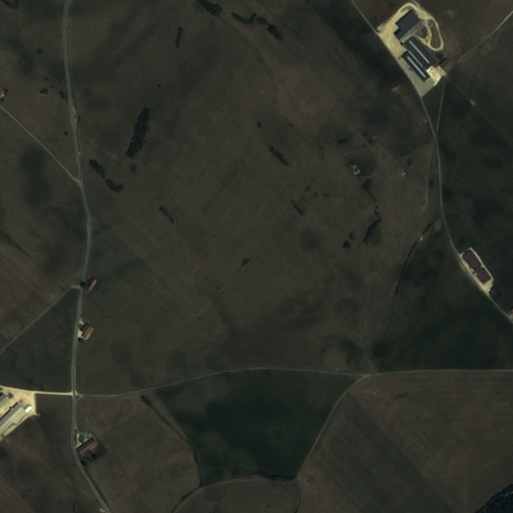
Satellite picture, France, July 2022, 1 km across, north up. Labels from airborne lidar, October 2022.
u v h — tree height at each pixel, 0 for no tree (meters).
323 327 0
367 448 0
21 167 0
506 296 0
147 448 0
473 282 0
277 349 0
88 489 0
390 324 0
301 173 0
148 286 0
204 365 0
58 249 0
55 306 0
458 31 0
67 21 0
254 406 0
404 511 0
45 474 0
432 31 0
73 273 0
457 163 0
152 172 0
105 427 0
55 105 0
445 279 0
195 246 0
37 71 0
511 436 0
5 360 0
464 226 0
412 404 0
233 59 0
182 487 0
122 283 0
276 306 0
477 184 0
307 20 0
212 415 0
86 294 0
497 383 0
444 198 0
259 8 0
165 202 0
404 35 0
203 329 0
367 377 0
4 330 0
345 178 0
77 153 0
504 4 0
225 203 0
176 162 0
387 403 0
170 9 0
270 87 0
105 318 0
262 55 0
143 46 0
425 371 0
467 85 0
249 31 0
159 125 0
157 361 0
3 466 0
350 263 0
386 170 0
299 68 0
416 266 0
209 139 0
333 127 0
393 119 0
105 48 0
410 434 0
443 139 0
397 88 0
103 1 0
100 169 7
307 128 0
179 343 0
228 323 0
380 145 0
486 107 0
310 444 0
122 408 0
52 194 0
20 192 0
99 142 0
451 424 0
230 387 0
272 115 0
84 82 0
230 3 0
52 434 0
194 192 0
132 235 0
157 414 0
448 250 0
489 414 0
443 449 0
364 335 0
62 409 0
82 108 0
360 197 0
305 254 0
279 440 0
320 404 0
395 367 0
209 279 0
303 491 0
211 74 0
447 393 0
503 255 0
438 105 0
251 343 0
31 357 0
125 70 0
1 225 0
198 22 0
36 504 0
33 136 0
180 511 0
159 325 0
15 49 0
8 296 0
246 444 0
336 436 0
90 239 0
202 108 0
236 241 0
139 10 0
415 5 0
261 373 0
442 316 0
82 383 0
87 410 0
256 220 0
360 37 0
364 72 0
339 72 0
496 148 0
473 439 0
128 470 0
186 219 0
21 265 0
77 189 0
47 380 0
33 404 0
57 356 0
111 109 0
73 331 0
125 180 0
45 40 0
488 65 0
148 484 0
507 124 0
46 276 0
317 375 0
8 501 0
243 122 0
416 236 0
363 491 0
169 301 0
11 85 0
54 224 0
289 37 0
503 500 9
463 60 0
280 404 0
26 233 0
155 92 0
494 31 0
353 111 0
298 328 0
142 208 0
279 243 0
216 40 0
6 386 0
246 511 0
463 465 0
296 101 0
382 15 0
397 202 0
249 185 0
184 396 0
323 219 0
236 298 0
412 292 0
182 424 0
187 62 0
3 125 0
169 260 0
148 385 0
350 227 0
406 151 0
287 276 0
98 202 0
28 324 0
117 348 0
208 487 0
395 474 0
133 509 0
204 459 0
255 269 0
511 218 0
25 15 0
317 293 0
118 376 0
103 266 0
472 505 0
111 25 0
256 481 0
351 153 0
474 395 0
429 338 0
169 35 0
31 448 0
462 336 0
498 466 0
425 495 0
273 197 0
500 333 0
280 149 0
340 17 0
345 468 0
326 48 0
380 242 0
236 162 0
